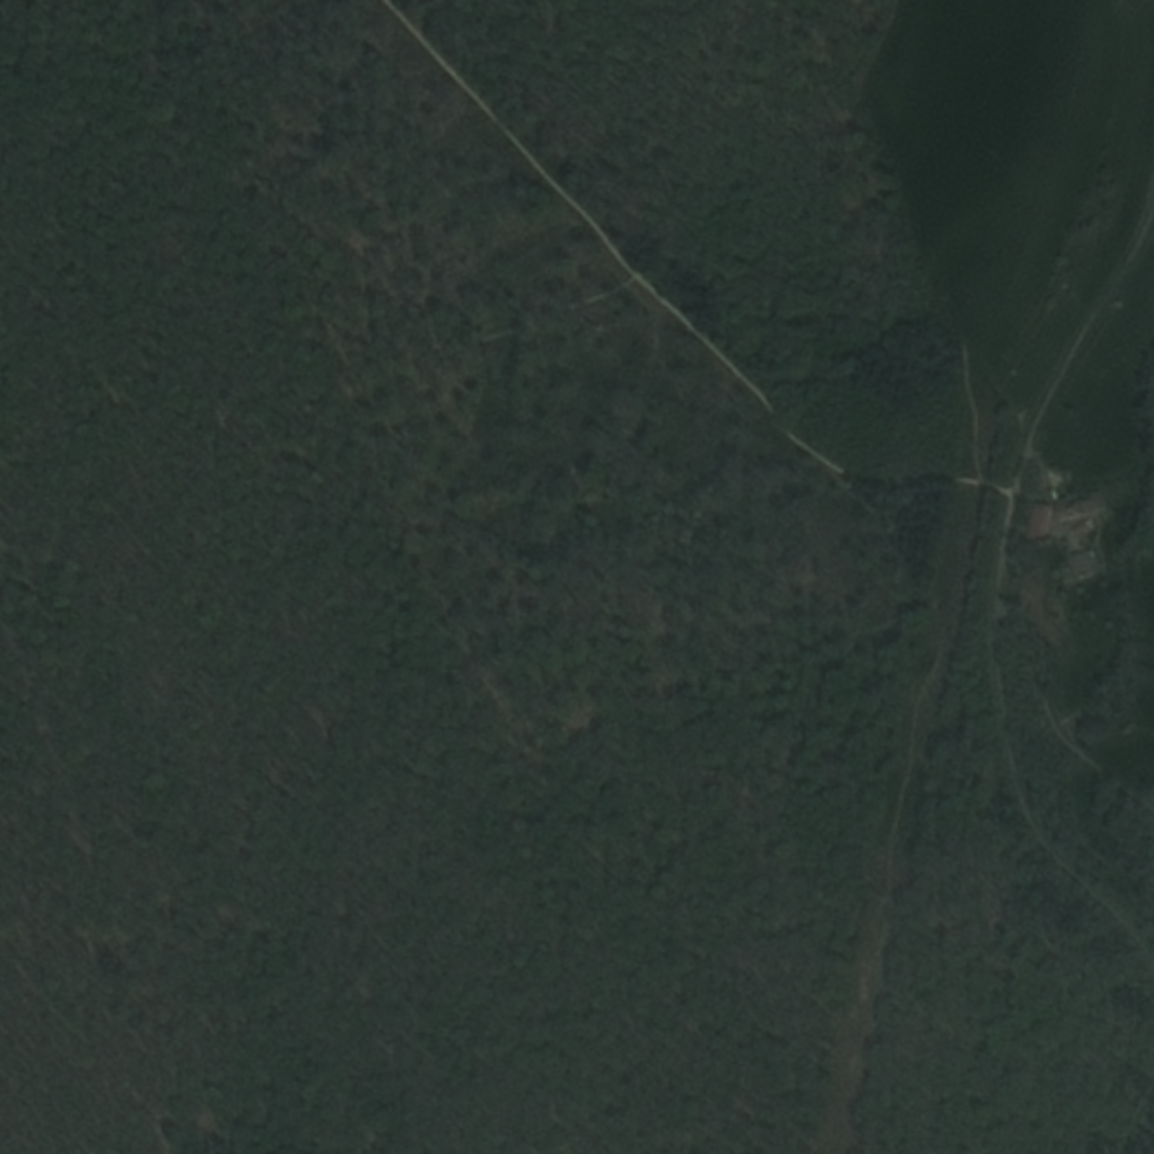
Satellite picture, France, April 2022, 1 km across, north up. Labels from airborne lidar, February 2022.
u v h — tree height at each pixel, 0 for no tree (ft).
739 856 87
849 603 0
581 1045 104
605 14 95
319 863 95
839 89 93
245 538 87
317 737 97
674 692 0
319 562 94
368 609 98
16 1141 81
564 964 96
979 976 92
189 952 92
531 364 93
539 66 102
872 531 83
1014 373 20
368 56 80
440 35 106
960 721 0
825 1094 65
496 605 75
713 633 107
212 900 88
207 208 93
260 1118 87
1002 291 0
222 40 96
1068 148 0
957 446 45
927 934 88
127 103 96
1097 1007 84
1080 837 82
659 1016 101
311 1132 81
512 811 94
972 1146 88
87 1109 92
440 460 90
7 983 87
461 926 105
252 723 87
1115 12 0
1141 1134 0
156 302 90
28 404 87
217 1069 91
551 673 101
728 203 65
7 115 90
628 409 100
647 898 98
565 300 84
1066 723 0
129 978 89
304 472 93
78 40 90
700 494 64
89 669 86
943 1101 92
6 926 90
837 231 92
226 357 91
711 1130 91
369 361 93
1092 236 28
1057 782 77
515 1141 90
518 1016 96
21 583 74
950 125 0
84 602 96
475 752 94
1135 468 0
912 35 0
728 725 91
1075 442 0
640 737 101
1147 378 49
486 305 94
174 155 82
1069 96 0
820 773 82
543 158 45
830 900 89
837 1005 75
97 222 93
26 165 94
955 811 86
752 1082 107
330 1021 94
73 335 93
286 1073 83
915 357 75
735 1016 94
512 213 98
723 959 87
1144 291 0
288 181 80
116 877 98
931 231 0
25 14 97
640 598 89
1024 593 0
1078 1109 95
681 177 90
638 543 89
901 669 78
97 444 93
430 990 94
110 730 99
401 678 100
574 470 0
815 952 98
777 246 75
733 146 89
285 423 92
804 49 94
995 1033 87
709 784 74
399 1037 98
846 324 85
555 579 93
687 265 94
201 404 92
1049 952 75
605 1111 94
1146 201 0
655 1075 93
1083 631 0
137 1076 82
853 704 88
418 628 93
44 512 101
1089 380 0
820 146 51
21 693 88
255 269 102
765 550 94
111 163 89
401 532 94
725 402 85
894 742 31
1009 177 0
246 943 93
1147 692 0
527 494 73
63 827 87
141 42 95
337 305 93
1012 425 50
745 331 89
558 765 77
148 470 89
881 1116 72
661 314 0
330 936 99
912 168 0
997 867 95
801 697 79
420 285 96
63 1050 86
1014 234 0
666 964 91
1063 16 0
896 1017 74
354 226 111
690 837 83
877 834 90
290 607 85
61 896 85
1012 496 0
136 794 96
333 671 92
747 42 89
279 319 101
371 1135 100
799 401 82
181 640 84
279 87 105
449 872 94
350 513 85
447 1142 99
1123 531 0
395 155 90
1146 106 0
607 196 103
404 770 87
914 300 83
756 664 86
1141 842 79
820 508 78
